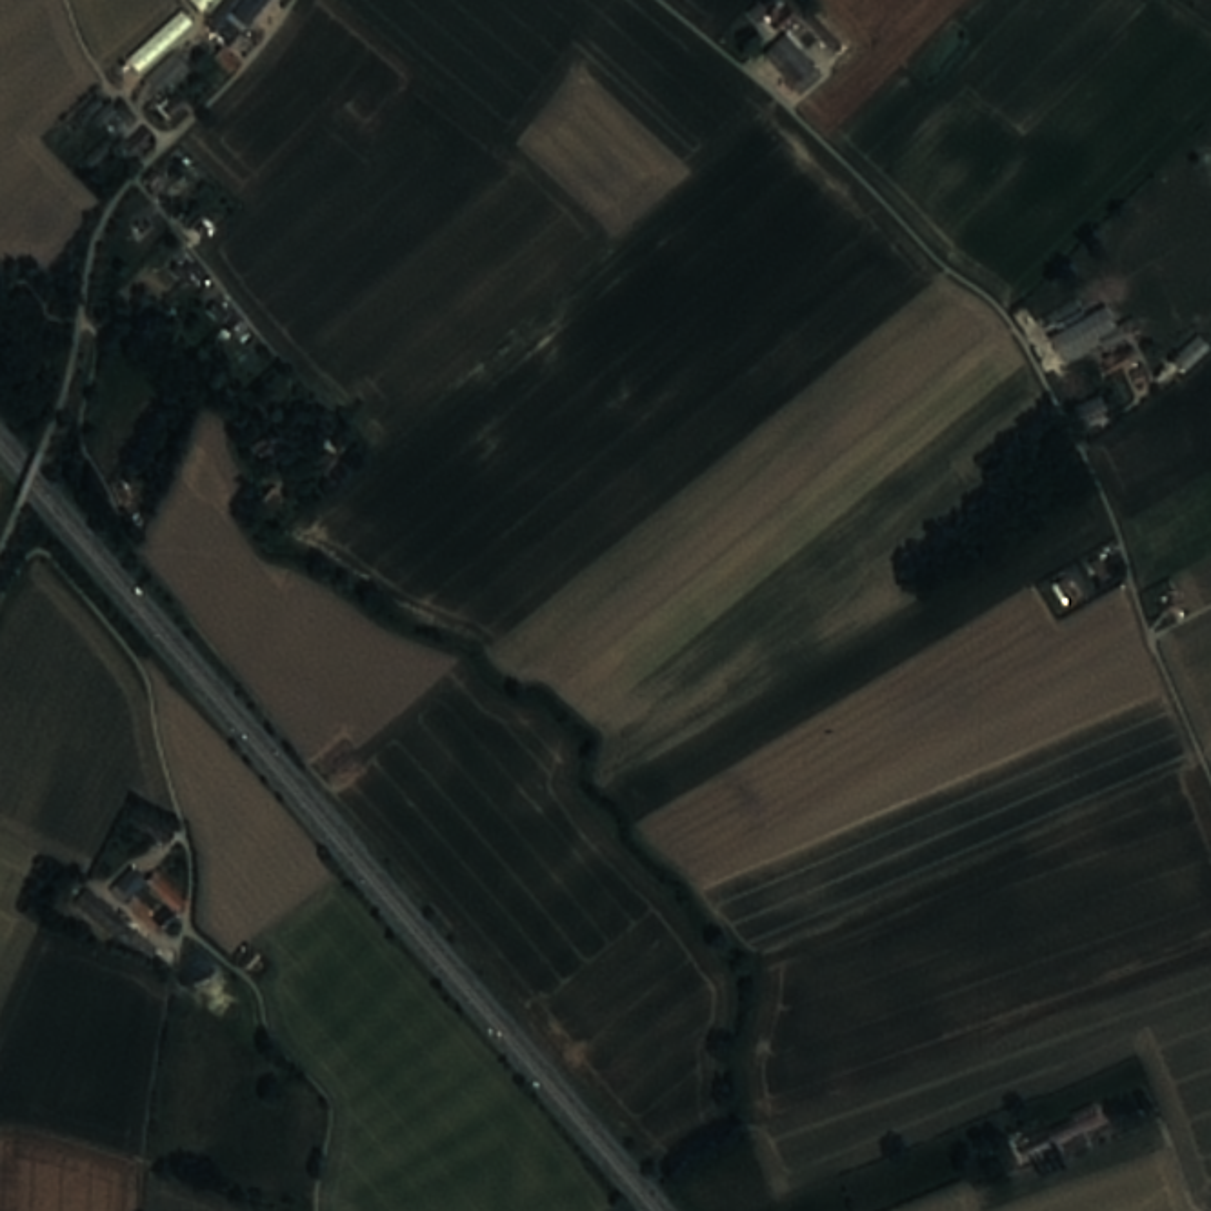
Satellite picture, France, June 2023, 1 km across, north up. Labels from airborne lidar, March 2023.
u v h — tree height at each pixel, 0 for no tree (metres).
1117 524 0
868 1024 0
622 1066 0
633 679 0
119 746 0
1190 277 0
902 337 0
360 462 15
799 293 0
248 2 0
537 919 0
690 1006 0
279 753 0
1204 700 0
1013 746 0
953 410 0
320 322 0
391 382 0
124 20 0
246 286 0
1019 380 0
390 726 0
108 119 0
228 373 16
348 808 0
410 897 0
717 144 0
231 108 0
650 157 0
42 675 0
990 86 0
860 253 0
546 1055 0
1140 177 0
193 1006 0
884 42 0
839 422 0
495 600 0
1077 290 0
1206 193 0
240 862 0
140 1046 0
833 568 0
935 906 0
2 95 0
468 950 0
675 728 0
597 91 0
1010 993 0
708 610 0
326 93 0
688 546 0
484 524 0
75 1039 0
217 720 0
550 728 0
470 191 0
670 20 0
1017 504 20
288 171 0
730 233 0
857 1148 0
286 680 0
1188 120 0
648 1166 9
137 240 0
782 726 0
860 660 0
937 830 0
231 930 0
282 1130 0
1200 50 0
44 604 0
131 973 0
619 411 0
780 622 0
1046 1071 0
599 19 0
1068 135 0
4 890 0
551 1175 0
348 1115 0
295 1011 0
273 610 0
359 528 0
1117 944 0
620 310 0
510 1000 0
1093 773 0
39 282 26
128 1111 0
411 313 0
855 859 0
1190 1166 0
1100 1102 0
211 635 0
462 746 0
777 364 0
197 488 0
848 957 0
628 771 0
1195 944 0
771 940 0
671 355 0
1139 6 0
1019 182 0
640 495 0
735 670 0
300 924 0
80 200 0
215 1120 0
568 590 0
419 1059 0
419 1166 0
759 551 0
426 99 0
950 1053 0
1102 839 0
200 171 0
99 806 0
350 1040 0
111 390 0
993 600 0
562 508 0
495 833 0
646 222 0
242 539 0
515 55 0
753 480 0
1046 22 0
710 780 0
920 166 0
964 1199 0
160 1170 15
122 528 6
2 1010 0
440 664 0
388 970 0
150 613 0
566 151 0
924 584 19
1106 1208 0
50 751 0
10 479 0
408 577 0
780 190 0
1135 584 0
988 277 0
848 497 0
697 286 0
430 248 0
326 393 0
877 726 0
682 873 0
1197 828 0
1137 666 0
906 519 0
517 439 0
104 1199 0
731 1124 16
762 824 0
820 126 0
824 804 0
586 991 0
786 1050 0
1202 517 0
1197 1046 0
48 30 0
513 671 0
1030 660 0
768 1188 0
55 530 0
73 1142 0
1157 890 0
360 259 0
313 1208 0
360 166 0
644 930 0
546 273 0
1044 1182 0
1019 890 0
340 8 0
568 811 0
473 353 0
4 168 0
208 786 0
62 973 0
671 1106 0
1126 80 0
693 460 0
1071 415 16
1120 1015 0
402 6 0
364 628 0
